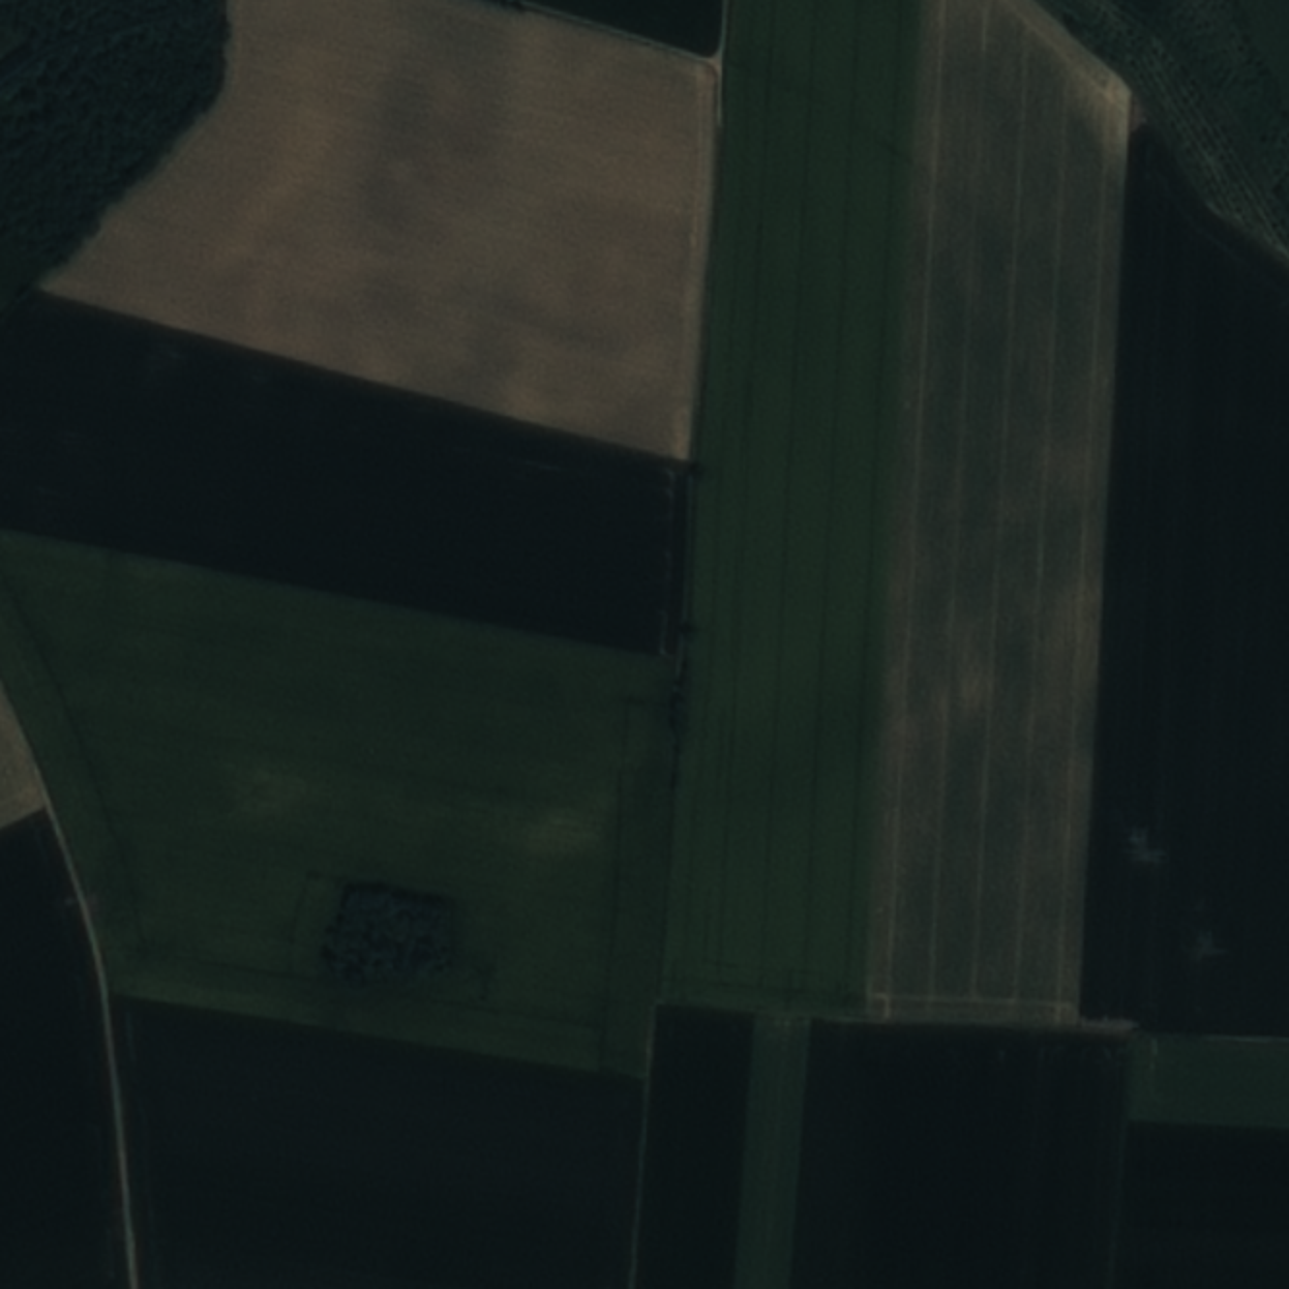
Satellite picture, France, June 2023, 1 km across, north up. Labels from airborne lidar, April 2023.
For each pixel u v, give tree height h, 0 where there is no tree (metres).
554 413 0
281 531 0
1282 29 0
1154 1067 0
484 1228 0
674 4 0
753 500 0
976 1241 0
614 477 0
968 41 0
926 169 0
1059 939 0
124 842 0
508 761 0
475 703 0
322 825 0
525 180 0
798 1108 0
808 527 0
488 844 0
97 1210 0
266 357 0
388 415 0
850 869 0
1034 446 0
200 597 0
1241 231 0
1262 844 0
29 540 0
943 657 0
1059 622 0
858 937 0
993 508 0
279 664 0
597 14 0
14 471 0
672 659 0
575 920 0
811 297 0
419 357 0
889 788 0
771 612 0
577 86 0
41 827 0
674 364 0
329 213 0
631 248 0
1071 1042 0
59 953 0
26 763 0
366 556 0
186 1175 0
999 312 0
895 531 0
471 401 0
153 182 0
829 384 0
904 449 0
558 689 0
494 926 0
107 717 0
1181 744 0
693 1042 0
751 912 0
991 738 0
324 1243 0
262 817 0
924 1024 0
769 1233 0
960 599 0
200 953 0
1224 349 0
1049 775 0
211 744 0
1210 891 0
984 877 0
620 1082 0
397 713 0
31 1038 0
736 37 0
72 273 0
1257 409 0
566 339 0
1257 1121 0
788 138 0
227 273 0
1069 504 0
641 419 0
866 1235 0
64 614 0
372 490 0
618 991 0
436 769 0
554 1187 0
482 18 0
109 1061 0
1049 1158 0
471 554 0
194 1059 0
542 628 0
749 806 0
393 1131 0
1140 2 6
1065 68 0
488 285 0
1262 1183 0
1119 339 0
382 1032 0
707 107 0
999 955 0
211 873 0
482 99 0
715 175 0
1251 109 6
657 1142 0
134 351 0
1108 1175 0
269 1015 0
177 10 14
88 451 0
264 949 0
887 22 0
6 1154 0
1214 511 0
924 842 0
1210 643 0
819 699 0
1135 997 0
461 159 0
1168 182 0
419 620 0
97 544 0
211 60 14
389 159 0
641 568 0
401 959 22
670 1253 0
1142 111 0
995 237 0
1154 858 0
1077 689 0
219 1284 0
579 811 0
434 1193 0
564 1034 0
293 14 0
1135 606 0
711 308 0
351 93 0
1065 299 0
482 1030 0
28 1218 0
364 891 12
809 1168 0
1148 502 0
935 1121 0
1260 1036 0
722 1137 0
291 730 0
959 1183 0
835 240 0
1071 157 0
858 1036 0
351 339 0
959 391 0
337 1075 0
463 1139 0
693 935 0
